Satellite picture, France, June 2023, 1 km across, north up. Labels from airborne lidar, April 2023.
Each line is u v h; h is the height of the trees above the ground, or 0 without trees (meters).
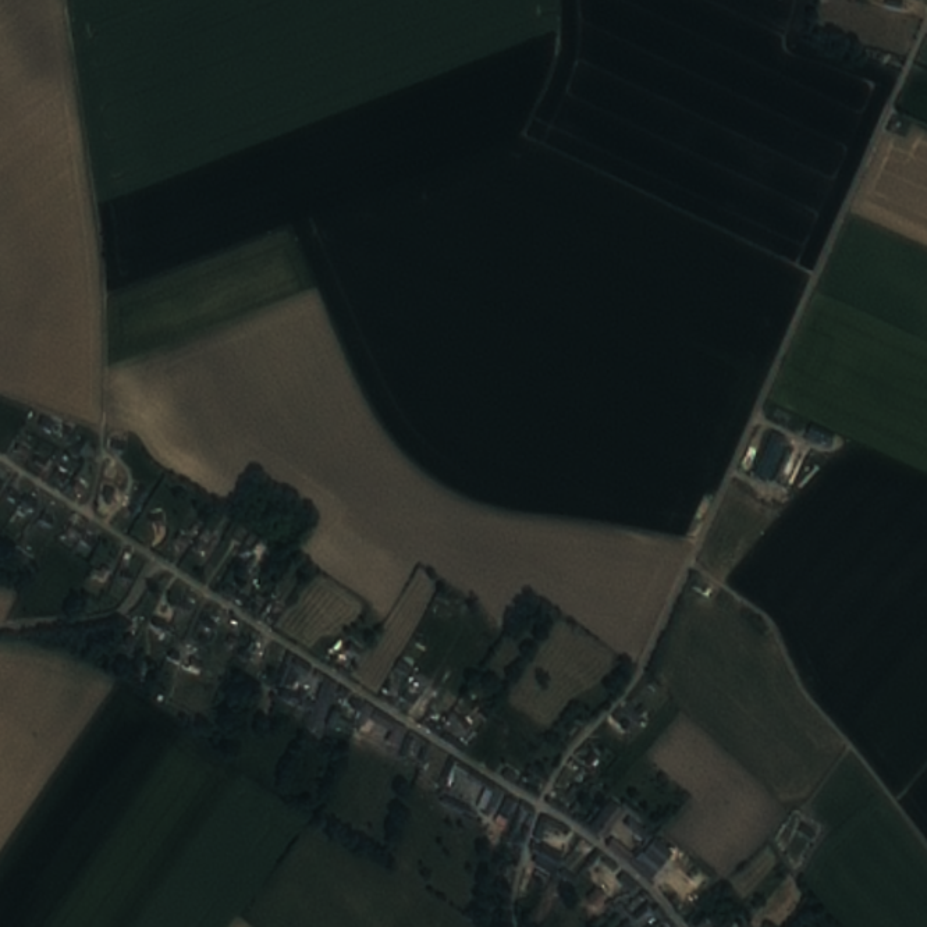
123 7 0
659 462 0
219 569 0
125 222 0
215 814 0
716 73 0
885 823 0
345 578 0
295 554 16
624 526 0
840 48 17
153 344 0
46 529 0
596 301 0
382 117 0
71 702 0
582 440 0
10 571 18
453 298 0
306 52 0
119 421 0
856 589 0
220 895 0
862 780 0
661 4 0
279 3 0
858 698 0
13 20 0
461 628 0
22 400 0
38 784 0
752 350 0
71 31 0
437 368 0
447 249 0
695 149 0
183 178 0
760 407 0
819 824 0
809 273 0
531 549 0
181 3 0
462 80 0
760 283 0
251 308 0
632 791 11
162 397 0
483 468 0
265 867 0
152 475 0
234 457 0
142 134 0
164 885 0
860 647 0
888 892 0
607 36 0
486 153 0
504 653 0
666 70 0
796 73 0
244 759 0
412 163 0
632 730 0
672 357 0
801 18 0
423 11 0
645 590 0
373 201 0
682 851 0
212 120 0
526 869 0
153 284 0
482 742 0
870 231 0
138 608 0
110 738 0
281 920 0
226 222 0
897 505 0
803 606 0
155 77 0
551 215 0
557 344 0
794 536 0
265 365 0
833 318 0
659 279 0
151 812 0
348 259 0
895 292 0
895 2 8
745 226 0
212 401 0
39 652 0
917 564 0
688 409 0
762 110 0
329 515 0
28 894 0
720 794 0
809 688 0
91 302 0
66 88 0
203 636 7
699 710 0
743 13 0
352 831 19
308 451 0
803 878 6
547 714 0
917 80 0
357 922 0
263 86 0
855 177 0
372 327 0
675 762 0
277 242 0
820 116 0
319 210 0
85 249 0
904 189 0
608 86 0
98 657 10
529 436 0
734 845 0
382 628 9
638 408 0
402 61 0
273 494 9
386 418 0
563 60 0
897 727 0
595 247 0
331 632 0
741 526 0
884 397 0
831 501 0
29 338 0
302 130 0
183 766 0
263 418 0
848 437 0
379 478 0
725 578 0
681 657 0
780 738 0
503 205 0
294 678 0
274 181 0
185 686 0
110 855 0
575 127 0
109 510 0
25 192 0
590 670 0
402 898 0
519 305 0
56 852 0
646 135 0
